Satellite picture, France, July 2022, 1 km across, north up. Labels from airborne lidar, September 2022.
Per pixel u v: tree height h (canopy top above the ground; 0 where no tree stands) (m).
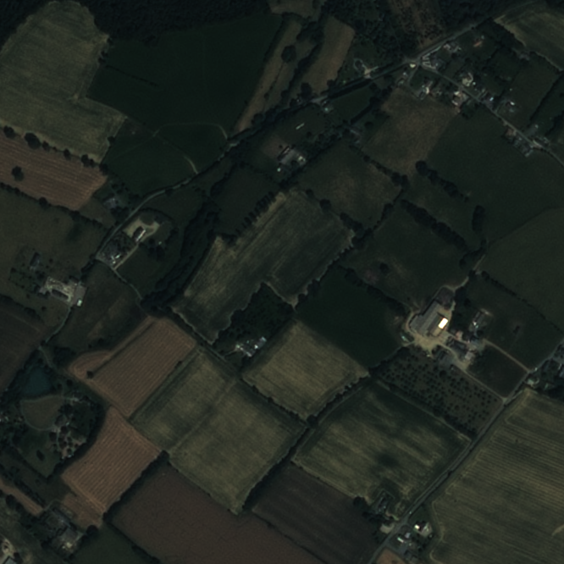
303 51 0
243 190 0
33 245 0
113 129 0
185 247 14
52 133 0
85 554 0
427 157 0
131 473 0
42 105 0
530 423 0
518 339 0
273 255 0
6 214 0
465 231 0
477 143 0
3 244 0
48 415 0
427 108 0
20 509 16
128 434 0
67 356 12
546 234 0
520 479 0
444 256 0
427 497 0
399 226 0
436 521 0
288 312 17
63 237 0
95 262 9
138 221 0
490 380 0
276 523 0
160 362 0
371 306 0
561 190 0
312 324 0
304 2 0
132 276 0
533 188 0
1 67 0
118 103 0
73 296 0
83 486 0
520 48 9
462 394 6
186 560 0
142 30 24
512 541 0
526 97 0
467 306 15
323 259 0
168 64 0
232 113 0
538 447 0
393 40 11
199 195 7
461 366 0
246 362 12
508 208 0
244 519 0
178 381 0
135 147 0
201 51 0
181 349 0
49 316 0
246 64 0
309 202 0
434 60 0
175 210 0
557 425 0
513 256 0
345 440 0
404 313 13
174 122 0
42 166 0
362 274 0
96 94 0
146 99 0
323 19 10
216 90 0
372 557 0
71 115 0
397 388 8
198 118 0
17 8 22
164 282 11
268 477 11
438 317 0
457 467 0
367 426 0
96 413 16
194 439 0
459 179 0
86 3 17
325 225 0
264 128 19
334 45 0
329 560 0
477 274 15
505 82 7
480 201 0
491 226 0
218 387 0
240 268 0
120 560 0
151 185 0
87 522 0
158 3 28
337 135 8
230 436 0
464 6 29
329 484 0
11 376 0
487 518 0
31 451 0
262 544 0
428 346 0
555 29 0
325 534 0
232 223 0
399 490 0
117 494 0
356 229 23
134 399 0
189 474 0
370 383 0
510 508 0
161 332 0
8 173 0
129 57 0
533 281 0
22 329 0
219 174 0
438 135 0
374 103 19
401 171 0
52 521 0
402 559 0
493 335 0
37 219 0
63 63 0
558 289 0
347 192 0
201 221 13
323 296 0
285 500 0
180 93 0
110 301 0
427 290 0
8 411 7
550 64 8
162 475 0
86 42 0
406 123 0
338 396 10
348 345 0
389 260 0
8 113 0
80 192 0
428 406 7
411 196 0
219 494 0
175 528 0
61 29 0
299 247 0
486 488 0
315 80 0
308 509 0
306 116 0
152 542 0
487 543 0
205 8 25
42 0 18
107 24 24
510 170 0
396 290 0
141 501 0
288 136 0
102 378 0
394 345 0
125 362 0
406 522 0
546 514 0
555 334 0
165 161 0
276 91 0
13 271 7
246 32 0
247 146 13
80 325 0
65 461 9
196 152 0
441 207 0
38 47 0
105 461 0
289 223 0
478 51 0
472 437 13
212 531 0
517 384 0
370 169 0
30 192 0
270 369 0
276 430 0
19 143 0
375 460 0
